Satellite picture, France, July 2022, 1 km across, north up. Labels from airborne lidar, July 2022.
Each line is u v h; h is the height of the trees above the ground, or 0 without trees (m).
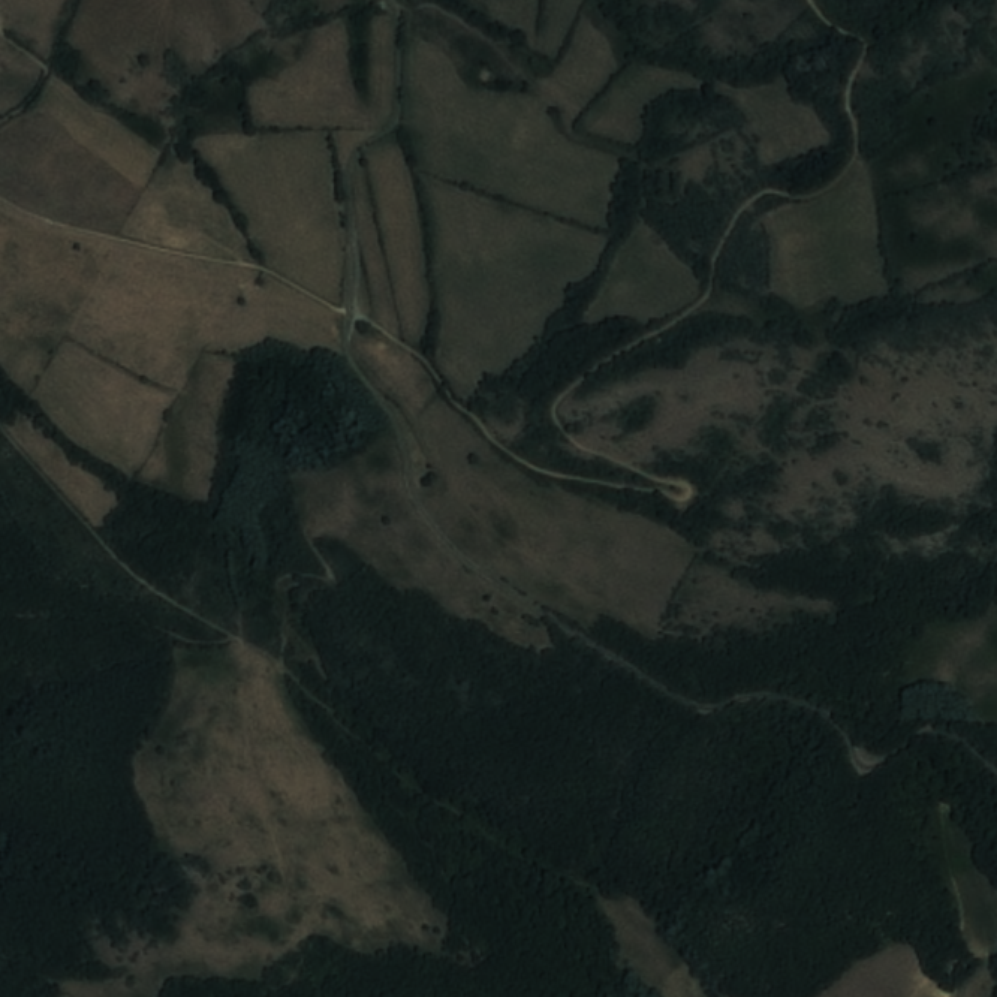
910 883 13
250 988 12
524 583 0
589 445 0
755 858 10
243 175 0
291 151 0
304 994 8
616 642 9
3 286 0
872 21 9
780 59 11
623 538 0
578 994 17
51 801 12
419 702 12
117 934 8
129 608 9
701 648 7
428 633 6
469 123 0
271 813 0
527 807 11
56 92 0
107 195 0
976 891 0
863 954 12
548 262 0
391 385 0
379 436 10
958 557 8
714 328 7
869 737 10
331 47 0
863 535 9
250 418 10
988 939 0
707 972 18
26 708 9
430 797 15
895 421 0
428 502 0
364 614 7
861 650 16
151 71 0
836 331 6
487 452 0
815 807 12
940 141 0
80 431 0
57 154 0
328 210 0
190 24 0
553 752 14
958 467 0
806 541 9
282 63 0
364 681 8
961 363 0
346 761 9
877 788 16
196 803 0
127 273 0
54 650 8
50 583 10
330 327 0
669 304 0
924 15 5
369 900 0
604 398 0
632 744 7
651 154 8
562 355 7
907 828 11
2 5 0
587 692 10
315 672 8
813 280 0
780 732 14
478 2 0
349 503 0
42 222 0
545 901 19
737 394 0
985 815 14
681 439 0
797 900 13
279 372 17
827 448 7
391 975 14
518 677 7
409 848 8
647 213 6
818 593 11
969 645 0
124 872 10
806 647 16
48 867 15
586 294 9
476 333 0
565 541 0
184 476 0
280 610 0
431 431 0
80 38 0
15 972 9
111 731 9
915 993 0
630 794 14
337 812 0
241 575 9
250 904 8
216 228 0
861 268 0
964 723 14
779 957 13
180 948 0
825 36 6
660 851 10
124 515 8
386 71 0
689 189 8
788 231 0
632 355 5
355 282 0
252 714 0
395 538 0
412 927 0
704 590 0
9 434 0
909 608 18
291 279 0
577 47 0
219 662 0
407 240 0
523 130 0
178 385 0
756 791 10
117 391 0
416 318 0
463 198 0
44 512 0
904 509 10
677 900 17
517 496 0
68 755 8
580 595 0
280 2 6
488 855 13
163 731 0
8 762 10
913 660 0
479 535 0
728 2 0
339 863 0
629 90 0
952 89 0
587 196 0
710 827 14
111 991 0
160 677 9
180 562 8
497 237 0
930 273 0
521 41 13
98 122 0
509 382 8
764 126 0
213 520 15
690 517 9
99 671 12
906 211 0
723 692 12
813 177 7
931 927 15
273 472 16
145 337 0
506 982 17
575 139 0
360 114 0
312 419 19
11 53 0
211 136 0
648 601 0
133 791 7
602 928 19
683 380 0
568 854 9
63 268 0
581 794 11
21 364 0
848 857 13
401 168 0
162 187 0
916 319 7
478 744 14
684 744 9
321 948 6
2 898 15
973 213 0
